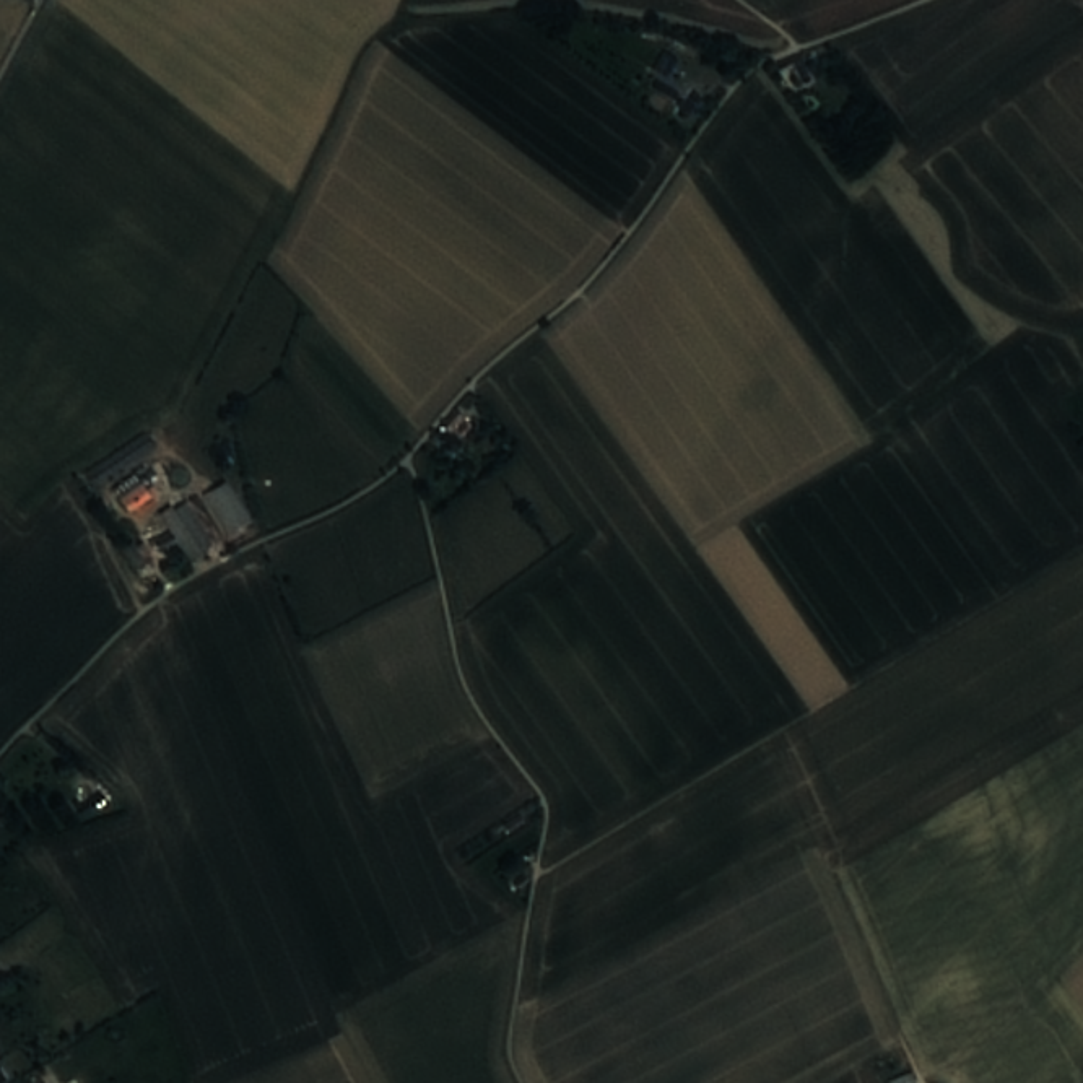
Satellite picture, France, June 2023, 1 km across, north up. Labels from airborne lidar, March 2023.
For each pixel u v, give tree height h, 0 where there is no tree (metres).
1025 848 0
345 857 0
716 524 0
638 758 0
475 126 0
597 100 0
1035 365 0
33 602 0
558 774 0
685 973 0
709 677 0
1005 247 0
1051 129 0
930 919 0
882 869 0
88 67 0
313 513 0
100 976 0
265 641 0
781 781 0
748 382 0
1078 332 0
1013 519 0
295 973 0
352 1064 0
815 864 0
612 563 0
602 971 0
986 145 0
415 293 0
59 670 0
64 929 0
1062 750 0
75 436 0
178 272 0
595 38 0
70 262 0
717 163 0
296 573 0
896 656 0
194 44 0
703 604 0
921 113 0
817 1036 0
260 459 0
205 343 0
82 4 0
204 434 0
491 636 0
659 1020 0
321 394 0
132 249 0
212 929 0
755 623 0
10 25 0
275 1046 0
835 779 0
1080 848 0
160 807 0
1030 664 0
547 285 0
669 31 6
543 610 0
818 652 0
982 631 0
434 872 0
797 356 0
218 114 0
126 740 0
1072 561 0
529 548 0
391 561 0
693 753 0
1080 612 0
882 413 0
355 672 0
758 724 0
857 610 0
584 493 0
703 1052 0
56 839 0
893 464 0
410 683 0
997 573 0
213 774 0
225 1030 0
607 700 0
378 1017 0
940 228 0
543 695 0
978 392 0
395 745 0
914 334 0
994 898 0
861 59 0
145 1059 0
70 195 0
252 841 0
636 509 0
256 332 0
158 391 0
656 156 0
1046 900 0
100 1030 6
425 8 0
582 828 0
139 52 0
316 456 0
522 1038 0
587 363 0
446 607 0
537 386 0
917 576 0
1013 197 0
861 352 0
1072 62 0
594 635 0
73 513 0
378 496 0
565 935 0
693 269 0
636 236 0
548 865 0
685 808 0
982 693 0
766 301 0
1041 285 0
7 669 0
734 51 15
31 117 0
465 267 0
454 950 0
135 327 0
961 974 0
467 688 0
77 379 0
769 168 0
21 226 0
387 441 0
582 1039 0
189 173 0
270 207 0
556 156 0
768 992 0
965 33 0
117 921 0
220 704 0
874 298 0
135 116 0
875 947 0
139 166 0
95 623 0
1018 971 0
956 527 0
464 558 0
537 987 0
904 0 0
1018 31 0
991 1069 0
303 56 0
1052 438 0
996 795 0
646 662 0
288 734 0
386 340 0
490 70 0
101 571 0
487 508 0
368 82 0
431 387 0
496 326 0
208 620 0
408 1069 0
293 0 0
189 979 0
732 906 0
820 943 0
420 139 0
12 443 0
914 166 0
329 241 0
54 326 0
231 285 0
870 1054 0
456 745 0
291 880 0
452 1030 0
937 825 0
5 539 0
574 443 0
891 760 0
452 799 0
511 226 0
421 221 0
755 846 0
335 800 0
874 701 0
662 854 0
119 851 0
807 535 0
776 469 0
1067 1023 0
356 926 0
